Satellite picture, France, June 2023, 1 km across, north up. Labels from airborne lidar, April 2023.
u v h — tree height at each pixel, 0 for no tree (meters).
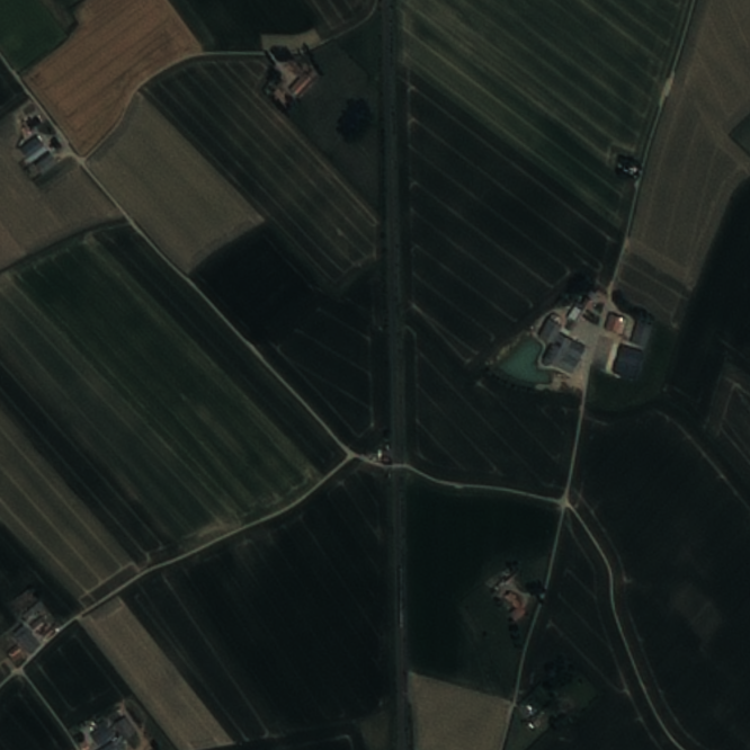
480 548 0
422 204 0
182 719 0
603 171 0
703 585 0
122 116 0
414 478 0
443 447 0
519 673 0
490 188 0
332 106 0
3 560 0
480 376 0
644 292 0
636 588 0
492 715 0
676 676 0
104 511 0
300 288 0
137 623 0
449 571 0
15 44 0
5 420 0
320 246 0
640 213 0
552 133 0
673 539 0
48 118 0
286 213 0
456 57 0
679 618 0
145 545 0
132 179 0
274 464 0
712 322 0
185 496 0
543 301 0
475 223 0
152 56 0
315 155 0
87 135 0
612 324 0
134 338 0
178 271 0
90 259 0
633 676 0
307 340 0
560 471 0
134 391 0
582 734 0
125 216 0
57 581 0
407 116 0
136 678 0
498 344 0
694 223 0
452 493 0
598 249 0
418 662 0
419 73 0
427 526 0
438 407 0
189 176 0
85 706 0
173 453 0
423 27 0
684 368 0
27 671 0
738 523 0
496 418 0
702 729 0
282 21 0
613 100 0
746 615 0
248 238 0
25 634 0
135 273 0
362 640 0
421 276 0
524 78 0
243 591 0
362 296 0
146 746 0
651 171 0
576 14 0
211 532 0
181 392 0
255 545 0
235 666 0
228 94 0
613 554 0
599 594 0
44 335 0
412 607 0
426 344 0
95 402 0
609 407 0
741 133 0
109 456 0
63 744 0
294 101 16
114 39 0
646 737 0
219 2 0
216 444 0
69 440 0
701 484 0
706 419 0
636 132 0
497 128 0
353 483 0
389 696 0
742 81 0
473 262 0
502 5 0
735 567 0
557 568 0
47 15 0
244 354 0
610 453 0
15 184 0
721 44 0
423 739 0
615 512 0
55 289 0
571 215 0
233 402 0
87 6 0
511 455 0
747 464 0
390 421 0
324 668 0
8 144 0
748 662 0
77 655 0
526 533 0
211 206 0
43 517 0
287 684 0
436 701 0
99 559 0
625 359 0
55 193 0
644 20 0
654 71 0
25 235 0
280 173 0
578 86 0
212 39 0
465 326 0
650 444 0
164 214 0
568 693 0
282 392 0
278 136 0
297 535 0
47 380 0
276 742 0
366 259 0
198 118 0
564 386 0
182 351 0
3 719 0
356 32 0
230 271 0
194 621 0
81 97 0
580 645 0
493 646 0
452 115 0
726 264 0
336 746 0
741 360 0
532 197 0
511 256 0
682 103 0
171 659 0
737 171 0
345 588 0
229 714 0
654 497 0
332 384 0
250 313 0
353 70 0
